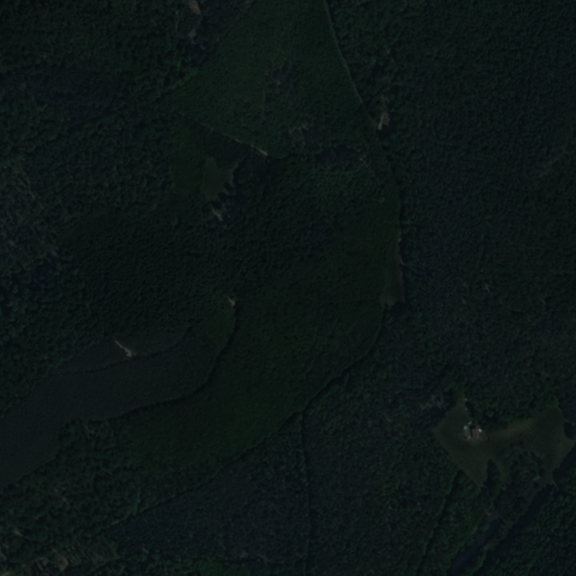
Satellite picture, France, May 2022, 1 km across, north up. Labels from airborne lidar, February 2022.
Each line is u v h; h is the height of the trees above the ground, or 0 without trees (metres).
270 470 25
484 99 28
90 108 26
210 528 19
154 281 27
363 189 0
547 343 17
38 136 28
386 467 25
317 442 25
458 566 0
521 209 24
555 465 0
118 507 25
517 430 0
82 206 26
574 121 20
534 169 20
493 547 0
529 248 17
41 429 15
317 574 25
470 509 27
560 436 0
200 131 19
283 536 30
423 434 28
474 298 23
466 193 27
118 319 20
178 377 19
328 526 25
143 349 15
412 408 32
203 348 21
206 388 22
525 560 27
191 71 25
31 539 28
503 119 27
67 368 13
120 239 22
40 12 31
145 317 21
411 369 28
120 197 31
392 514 25
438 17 30
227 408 23
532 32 23
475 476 0
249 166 14
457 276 23
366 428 22
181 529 16
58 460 23
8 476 15
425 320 25
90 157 30
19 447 15
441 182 30
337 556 28
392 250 0
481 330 19
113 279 27
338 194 0
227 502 22
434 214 27
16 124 32
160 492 16
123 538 16
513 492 19
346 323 13
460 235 23
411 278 26
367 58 30
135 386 17
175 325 19
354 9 31
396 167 28
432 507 29
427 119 30
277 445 22
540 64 27
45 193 30
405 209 22
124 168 31
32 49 26
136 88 21
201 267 25
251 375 21
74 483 31
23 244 31
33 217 28
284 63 10
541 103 23
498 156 27
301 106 14
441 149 29
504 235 22
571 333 20
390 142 30
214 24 25
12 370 31
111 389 16
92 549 22
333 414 26
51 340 23
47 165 30
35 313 28
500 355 29
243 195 22
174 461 16
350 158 35
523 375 22
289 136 16
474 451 0
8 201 30
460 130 27
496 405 29
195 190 18
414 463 31
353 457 21
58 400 16
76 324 19
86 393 16
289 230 27
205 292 20
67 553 25
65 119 28
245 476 24
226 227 21
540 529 30
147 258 26
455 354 23
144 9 27
